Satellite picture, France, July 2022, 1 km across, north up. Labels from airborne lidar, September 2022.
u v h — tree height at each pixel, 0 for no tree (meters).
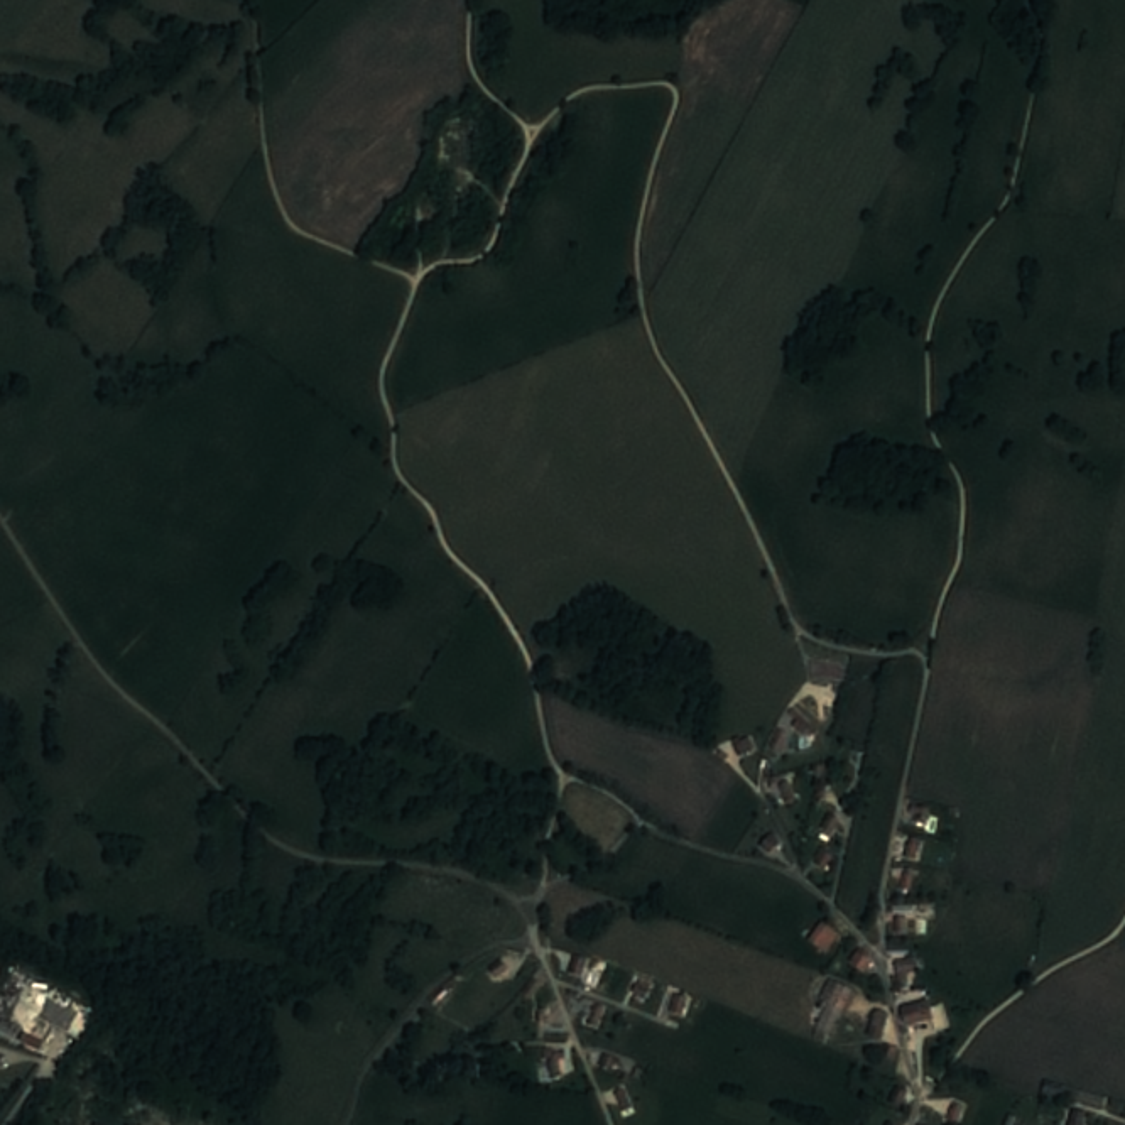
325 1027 0
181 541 0
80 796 0
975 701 0
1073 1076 0
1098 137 0
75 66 0
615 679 16
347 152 0
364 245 11
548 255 0
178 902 0
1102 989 0
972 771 0
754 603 0
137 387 23
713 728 9
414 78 0
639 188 0
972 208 0
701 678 20
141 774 0
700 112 0
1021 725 0
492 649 0
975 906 0
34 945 13
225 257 0
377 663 0
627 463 0
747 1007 0
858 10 0
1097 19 0
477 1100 0
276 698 0
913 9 14
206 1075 11
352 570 7
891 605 0
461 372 0
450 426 0
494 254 8
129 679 0
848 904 0
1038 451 0
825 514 0
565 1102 0
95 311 0
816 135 0
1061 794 0
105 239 12
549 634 20
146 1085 11
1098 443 0
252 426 0
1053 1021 0
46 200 0
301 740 10
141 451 0
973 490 0
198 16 0
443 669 0
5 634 0
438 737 14
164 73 9
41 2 0
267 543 0
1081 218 0
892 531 0
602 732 0
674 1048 0
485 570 0
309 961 20
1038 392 0
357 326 0
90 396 0
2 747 20
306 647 14
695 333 0
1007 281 0
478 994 0
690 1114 0
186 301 0
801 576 0
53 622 0
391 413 0
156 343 0
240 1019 14
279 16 0
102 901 0
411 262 16
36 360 0
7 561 0
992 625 0
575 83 0
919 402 0
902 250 0
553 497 0
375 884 10
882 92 15
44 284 20
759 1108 0
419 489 0
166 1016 15
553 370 0
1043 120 0
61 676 18
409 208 13
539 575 0
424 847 7
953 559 0
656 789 0
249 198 0
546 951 0
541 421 0
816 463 0
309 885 16
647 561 0
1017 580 0
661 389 0
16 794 6
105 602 0
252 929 8
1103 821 0
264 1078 21
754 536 0
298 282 0
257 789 0
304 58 0
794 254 0
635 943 0
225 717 0
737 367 0
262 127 0
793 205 0
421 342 0
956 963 0
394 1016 13
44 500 0
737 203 0
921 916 0
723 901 0
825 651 0
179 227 19
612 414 0
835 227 0
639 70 0
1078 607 0
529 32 0
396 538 0
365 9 0
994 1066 0
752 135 0
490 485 0
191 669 0
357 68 0
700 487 0
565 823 16
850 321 21
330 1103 0
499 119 6
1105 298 0
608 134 0
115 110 9
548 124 0
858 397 0
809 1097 0
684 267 0
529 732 0
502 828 13
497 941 0
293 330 0
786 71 0
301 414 0
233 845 0
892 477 17
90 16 12
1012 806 0
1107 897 0
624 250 0
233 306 0
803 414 0
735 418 0
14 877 0
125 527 0
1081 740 0
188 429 0
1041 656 0
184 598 0
